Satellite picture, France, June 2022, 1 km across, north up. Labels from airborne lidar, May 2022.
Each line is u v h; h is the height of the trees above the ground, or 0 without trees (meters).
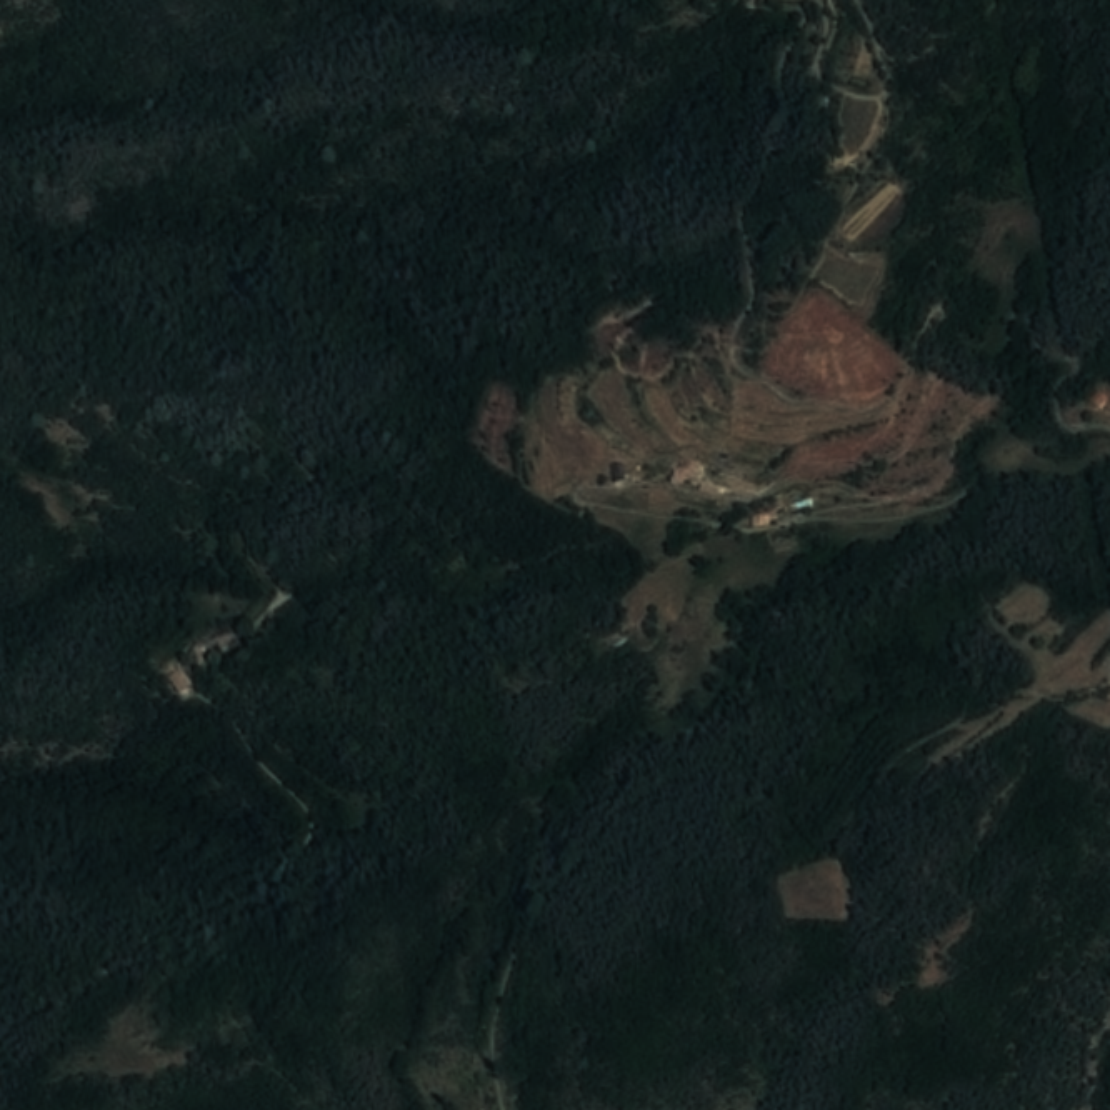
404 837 10
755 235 8
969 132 13
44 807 13
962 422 0
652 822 23
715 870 18
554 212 13
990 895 15
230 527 7
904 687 10
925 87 11
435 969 19
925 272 10
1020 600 0
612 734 17
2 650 9
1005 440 0
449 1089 0
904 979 13
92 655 9
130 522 12
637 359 10
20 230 12
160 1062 0
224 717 14
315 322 17
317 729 13
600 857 18
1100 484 18
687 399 0
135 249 12
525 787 10
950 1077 19
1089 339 24
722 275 9
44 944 13
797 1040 6
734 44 18
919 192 8
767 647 12
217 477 12
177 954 11
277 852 16
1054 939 13
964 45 12
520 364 13
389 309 10
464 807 14
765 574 0
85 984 12
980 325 10
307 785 14
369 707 10
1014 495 21
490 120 7
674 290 6
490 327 15
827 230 17
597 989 12
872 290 0
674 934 14
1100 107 15
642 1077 12
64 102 11
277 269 17
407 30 15
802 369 0
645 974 10
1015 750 5
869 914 22
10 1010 14
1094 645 0
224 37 11
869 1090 8
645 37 7
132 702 7
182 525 14
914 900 17
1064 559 13
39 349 11
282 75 7
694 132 22
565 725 20
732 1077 7
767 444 0
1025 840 14
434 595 19
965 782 15
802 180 11
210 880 11
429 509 15
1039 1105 16
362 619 14
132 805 12
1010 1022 14
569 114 15
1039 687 0
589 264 14
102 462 14
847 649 11
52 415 7
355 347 14
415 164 8
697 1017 9
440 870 9
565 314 15
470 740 12
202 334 11
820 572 18
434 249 7
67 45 7
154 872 9
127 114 16
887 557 26
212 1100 9
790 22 12
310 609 14
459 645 10
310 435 16
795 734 16
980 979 16
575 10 7
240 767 14
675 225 16
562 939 19
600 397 0
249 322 9
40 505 13
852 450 0
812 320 0
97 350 14
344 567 10
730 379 0
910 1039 12
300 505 17
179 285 11
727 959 11
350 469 7
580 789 17
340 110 12
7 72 7
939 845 15
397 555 16
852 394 0
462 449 10
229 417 19
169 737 16
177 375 11
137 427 8
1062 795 8
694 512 6
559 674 13
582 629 14
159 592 14
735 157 21
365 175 8
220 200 7
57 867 6
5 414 6
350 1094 6
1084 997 15
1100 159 13
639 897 16
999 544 19
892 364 0
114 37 6
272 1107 13
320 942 13
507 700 19
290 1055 6
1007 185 7
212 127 9
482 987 6
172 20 6
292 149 13
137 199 9
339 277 16
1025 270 15
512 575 15
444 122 6
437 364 12
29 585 14
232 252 7
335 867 12
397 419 11
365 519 14
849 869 6
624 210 10
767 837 22
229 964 12
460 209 17
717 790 24
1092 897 11
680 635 0
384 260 11
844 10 7
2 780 10
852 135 0
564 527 13
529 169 16
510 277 18
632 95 8
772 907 16
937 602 7
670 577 0
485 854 9
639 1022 10
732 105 27
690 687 0
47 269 11
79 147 10
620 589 10
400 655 14
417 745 15
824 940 10
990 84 9
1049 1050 8
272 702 10
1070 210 20
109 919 10
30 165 14
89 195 6
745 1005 12
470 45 20
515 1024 7
